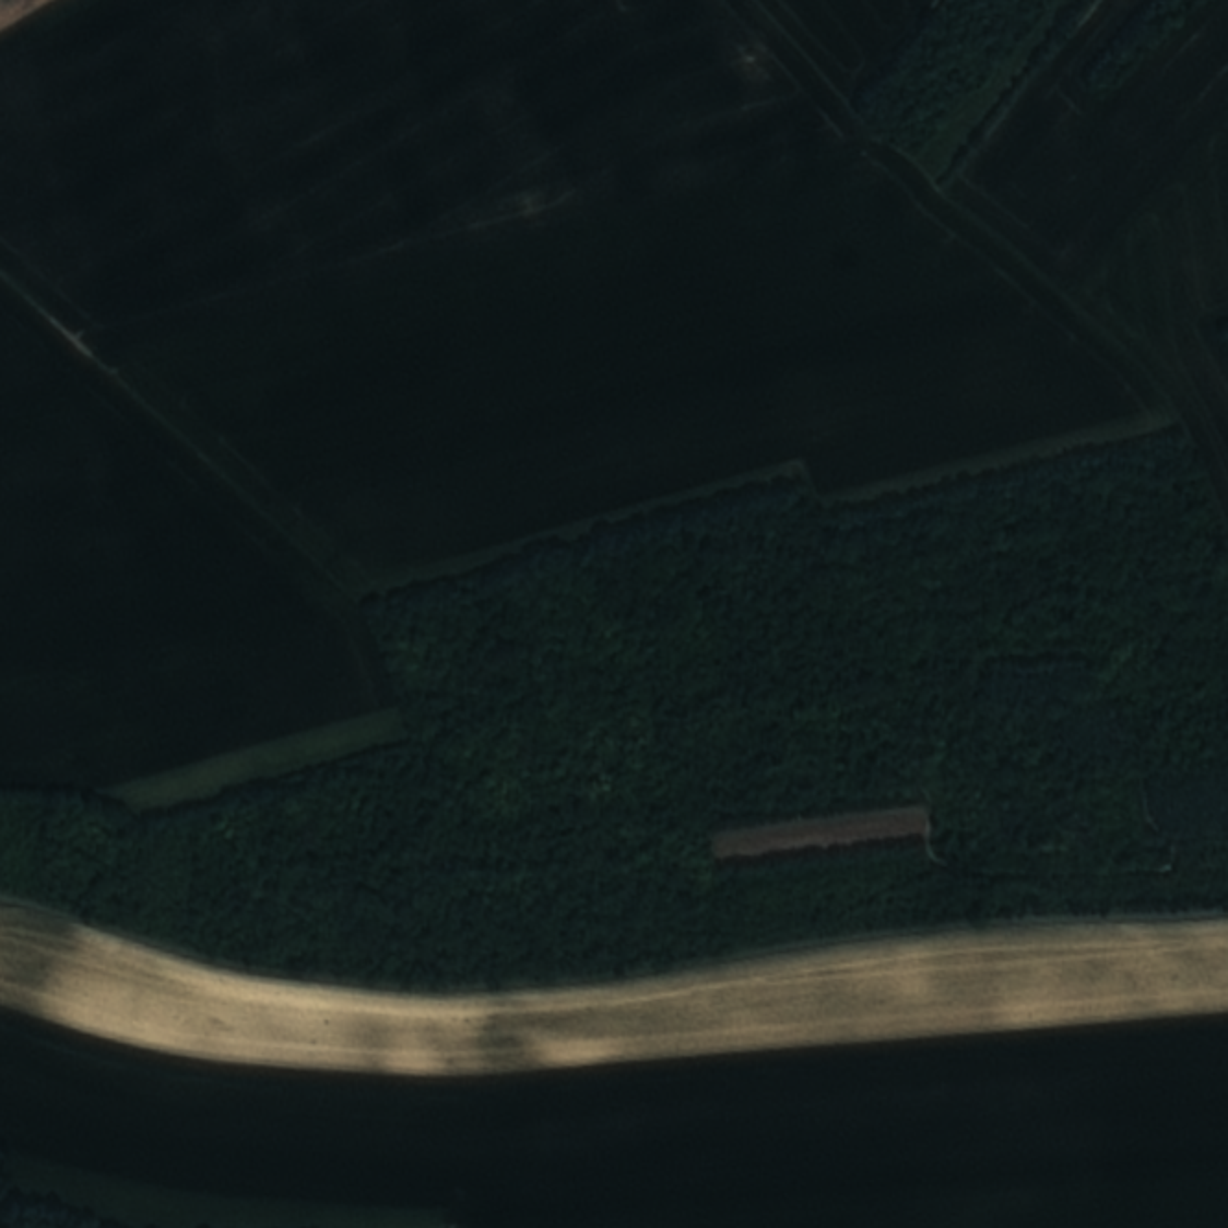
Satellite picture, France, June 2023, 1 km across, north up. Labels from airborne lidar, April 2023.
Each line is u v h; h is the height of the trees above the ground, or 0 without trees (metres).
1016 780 6
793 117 0
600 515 0
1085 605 19
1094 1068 0
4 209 0
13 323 0
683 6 0
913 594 17
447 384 0
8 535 0
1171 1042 0
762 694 17
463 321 0
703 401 0
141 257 0
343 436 0
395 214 0
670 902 19
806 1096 0
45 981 0
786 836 0
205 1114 0
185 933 8
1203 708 12
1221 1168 0
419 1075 0
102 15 0
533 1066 0
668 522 19
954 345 0
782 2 0
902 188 0
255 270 0
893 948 0
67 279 0
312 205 0
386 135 0
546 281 0
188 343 0
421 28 0
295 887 19
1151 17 14
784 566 22
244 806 12
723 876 8
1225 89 0
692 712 10
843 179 0
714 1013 0
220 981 0
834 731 11
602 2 0
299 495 0
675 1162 0
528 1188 0
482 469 0
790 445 0
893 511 14
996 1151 0
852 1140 0
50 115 0
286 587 0
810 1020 0
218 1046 0
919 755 19
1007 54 14
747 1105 0
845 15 0
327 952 15
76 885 13
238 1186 0
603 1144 0
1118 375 0
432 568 0
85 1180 0
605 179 0
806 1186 0
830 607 13
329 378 0
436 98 0
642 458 0
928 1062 0
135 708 0
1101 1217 0
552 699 21
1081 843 9
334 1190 0
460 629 13
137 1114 0
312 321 0
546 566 24
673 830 12
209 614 0
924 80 13
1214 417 0
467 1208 0
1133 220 0
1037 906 11
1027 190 0
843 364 0
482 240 0
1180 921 0
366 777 11
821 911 10
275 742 0
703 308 0
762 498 17
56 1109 0
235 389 0
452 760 15
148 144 0
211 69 0
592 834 10
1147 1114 0
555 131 0
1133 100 0
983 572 18
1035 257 0
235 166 0
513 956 20
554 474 0
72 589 0
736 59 0
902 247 0
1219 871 6
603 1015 0
